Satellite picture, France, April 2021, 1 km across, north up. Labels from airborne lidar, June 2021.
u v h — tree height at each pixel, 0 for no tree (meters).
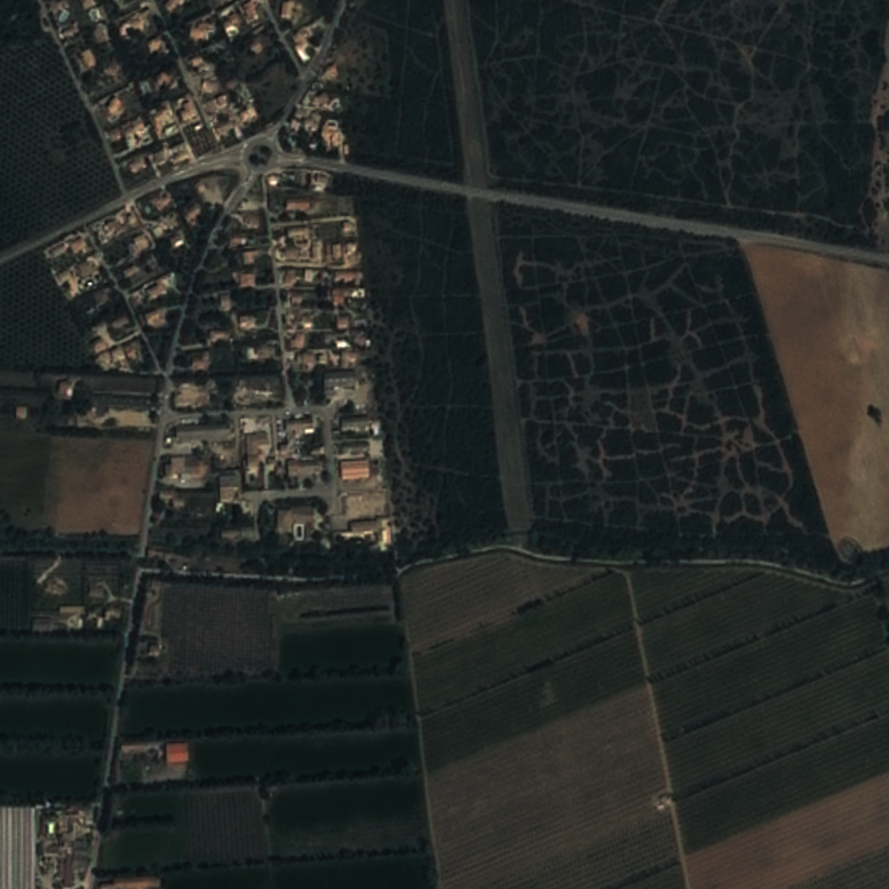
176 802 0
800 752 14
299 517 0
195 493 7
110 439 0
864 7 0
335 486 0
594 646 14
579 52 0
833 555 7
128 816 0
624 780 0
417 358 6
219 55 6
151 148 6
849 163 7
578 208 0
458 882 0
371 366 6
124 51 6
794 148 0
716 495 6
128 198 0
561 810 0
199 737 8
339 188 7
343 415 7
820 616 13
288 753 0
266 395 0
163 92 9
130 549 8
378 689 0
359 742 0
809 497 8
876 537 0
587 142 0
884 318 0
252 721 0
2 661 0
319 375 7
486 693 13
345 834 0
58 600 6
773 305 0
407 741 0
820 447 0
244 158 0
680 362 0
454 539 8
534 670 8
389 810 0
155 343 9
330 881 0
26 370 7
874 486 0
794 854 0
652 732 0
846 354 0
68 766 0
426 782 0
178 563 7
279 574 7
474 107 0
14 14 6
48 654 0
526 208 5
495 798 0
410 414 5
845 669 12
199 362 0
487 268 0
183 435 0
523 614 9
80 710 0
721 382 5
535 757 0
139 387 0
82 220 0
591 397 0
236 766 0
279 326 0
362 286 6
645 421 0
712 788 13
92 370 11
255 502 0
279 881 0
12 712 0
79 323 6
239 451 0
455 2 0
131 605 0
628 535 7
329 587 7
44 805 13
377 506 0
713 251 0
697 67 0
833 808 0
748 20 0
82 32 10
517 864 0
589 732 0
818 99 0
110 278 6
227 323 8
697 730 13
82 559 10
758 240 0
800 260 0
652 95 0
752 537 6
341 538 8
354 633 0
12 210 6
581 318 0
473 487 6
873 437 0
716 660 13
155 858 0
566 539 7
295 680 14
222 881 0
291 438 0
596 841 0
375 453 0
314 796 0
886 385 0
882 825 0
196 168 0
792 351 0
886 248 0
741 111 0
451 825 0
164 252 6
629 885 12
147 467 0
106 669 0
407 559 7
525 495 0
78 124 5
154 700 0
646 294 0
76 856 0
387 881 0
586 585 9
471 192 0
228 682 15
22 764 0
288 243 7
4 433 0
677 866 13
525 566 0
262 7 0
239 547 7
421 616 0
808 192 0
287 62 6
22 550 6
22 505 0
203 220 12
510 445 0
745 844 0
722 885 0
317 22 0
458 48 0
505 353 0
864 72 0
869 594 8
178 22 9
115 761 7
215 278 0
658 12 0
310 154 11
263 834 0
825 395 0
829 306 0
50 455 0
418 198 6
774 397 5
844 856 0
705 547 6
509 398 0
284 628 0
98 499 0
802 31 0
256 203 0
